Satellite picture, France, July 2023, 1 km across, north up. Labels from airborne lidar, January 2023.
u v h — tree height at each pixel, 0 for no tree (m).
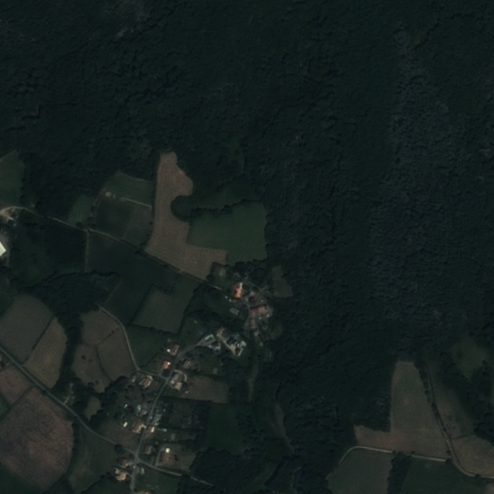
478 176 23
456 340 22
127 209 0
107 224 0
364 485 0
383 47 18
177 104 20
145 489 0
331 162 25
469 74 17
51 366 0
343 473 0
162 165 0
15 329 0
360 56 21
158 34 24
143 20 14
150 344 0
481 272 22
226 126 24
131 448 0
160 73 24
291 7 22
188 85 20
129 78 25
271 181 11
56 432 0
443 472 0
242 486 22
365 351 23
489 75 20
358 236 21
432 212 26
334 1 17
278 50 22
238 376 18
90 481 0
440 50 22
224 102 15
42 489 0
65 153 19
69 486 6
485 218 25
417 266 34
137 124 15
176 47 28
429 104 20
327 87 25
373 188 19
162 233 0
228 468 15
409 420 0
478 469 0
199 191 7
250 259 0
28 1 17
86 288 16
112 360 0
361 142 20
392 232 26
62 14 18
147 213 0
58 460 0
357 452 0
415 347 12
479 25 21
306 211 12
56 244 7
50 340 0
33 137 31
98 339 0
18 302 0
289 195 14
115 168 14
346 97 24
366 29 17
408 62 19
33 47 20
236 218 0
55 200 21
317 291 15
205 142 17
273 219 14
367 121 19
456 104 19
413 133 23
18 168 0
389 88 15
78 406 10
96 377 0
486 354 0
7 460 0
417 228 28
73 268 0
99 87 22
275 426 0
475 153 21
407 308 16
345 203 25
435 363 0
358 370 22
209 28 21
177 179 0
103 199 0
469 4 18
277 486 22
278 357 16
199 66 18
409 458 11
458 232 29
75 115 18
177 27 28
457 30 24
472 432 0
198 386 0
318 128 26
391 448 0
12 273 17
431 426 0
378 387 25
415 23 19
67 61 14
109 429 0
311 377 23
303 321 18
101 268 0
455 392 0
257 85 20
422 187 23
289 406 22
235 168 7
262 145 22
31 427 0
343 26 19
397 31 12
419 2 21
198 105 7
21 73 25
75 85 15
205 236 0
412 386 0
